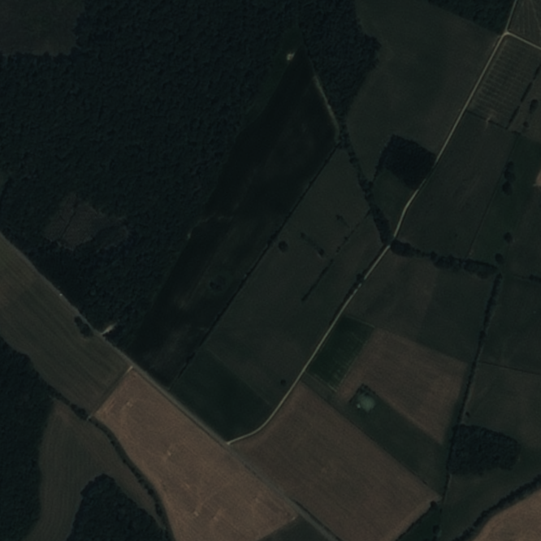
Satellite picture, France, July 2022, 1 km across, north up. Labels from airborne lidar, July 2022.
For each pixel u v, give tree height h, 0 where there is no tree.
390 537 0
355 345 0
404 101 0
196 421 0
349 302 0
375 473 0
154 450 0
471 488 0
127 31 26
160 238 24
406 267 0
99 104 16
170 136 21
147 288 21
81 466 0
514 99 0
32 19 0
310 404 0
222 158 24
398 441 0
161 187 22
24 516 20
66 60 20
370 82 0
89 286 18
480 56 0
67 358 0
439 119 0
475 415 0
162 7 25
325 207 0
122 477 0
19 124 15
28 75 17
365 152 0
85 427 0
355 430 0
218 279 0
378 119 0
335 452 0
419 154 19
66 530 0
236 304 0
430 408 0
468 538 17
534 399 0
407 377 0
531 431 0
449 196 0
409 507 0
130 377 0
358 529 0
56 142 23
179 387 0
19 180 19
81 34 21
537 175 0
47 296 0
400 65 0
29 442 21
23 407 23
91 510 21
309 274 0
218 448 0
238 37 20
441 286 0
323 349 0
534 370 0
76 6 0
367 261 0
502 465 15
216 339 0
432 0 11
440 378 0
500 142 0
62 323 0
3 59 26
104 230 9
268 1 21
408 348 0
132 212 21
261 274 0
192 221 19
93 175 22
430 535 0
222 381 0
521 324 0
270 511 0
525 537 0
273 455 0
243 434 0
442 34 0
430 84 0
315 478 0
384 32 0
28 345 0
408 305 0
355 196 0
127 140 23
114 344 15
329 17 16
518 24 0
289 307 0
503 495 0
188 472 0
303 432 0
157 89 25
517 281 0
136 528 21
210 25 21
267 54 21
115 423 0
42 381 13
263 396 0
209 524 0
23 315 0
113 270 23
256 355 0
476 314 0
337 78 16
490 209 0
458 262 6
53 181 19
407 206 0
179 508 0
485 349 0
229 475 0
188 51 22
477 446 15
